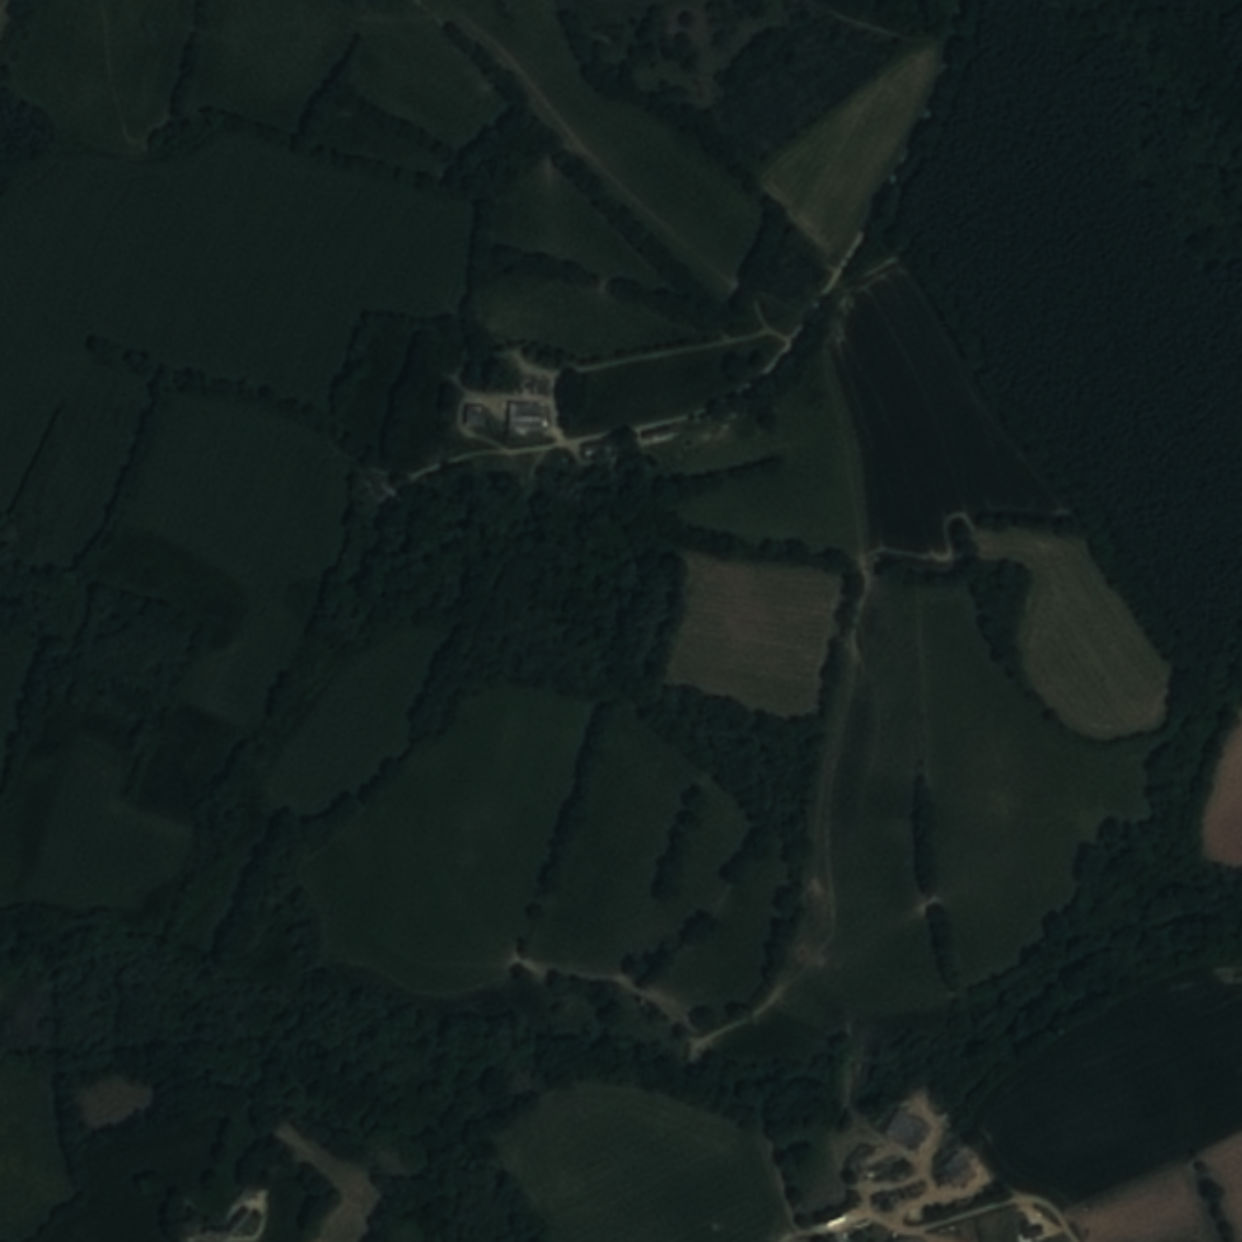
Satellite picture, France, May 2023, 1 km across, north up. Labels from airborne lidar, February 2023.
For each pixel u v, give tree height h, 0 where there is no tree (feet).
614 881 0
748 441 0
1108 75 57
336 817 40
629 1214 0
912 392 0
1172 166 48
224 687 0
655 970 103
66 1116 48
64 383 0
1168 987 0
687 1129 0
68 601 26
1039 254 78
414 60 0
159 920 0
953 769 0
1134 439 72
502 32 0
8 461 0
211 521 0
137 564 0
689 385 0
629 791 0
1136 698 0
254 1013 31
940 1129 0
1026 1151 0
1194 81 54
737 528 0
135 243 0
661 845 0
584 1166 0
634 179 0
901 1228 0
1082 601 0
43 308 0
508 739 0
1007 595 38
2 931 34
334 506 0
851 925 0
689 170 0
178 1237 37
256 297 0
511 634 34
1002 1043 26
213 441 0
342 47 0
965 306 78
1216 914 64
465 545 58
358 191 0
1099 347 74
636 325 0
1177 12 63
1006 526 43
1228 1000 0
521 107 41
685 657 0
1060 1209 0
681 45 30
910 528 0
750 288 40
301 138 35
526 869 0
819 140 0
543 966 0
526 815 0
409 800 0
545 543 93
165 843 0
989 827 0
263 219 0
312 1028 55
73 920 21
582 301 0
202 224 0
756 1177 0
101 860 0
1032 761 0
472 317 33
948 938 47
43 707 69
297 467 0
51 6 0
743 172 27
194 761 0
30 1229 0
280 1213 0
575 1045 51
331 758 0
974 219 79
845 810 0
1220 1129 0
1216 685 41
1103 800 0
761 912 0
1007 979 25
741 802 35
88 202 0
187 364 0
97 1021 31
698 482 39
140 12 0
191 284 0
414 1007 18
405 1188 53
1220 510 79
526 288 0
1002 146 85
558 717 0
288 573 0
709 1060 48
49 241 0
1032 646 0
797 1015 0
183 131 37
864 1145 0
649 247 44
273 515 0
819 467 0
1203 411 77
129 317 0
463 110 0
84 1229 0
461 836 0
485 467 0
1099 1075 0
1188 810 22
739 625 0
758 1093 54
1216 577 82
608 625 49
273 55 0
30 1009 0
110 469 0
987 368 69
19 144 66
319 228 0
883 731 0
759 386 42
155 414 24
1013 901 0
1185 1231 0
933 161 70
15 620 91
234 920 45
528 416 0
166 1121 49
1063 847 0
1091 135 79
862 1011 0
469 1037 50
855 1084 0
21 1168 0
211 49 0
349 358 43
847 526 0
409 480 21
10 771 23
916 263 50
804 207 0
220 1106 49
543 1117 0
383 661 0
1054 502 0
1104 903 46
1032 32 74
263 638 0
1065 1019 39
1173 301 79
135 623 37
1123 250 77
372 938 0
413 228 0
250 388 29
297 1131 35
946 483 0
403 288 0
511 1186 46
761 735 56
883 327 0
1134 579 57
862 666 0
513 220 0
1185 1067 0
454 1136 20
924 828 41
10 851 0
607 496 47
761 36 22
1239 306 69
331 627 33
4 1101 0
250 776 45
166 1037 23
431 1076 26
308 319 0
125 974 37
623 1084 20
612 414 0
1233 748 0
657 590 102
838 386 0
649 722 59
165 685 36
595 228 0
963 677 0
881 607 0
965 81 58
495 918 0
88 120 0
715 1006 0
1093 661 0
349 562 25
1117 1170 0
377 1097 41
